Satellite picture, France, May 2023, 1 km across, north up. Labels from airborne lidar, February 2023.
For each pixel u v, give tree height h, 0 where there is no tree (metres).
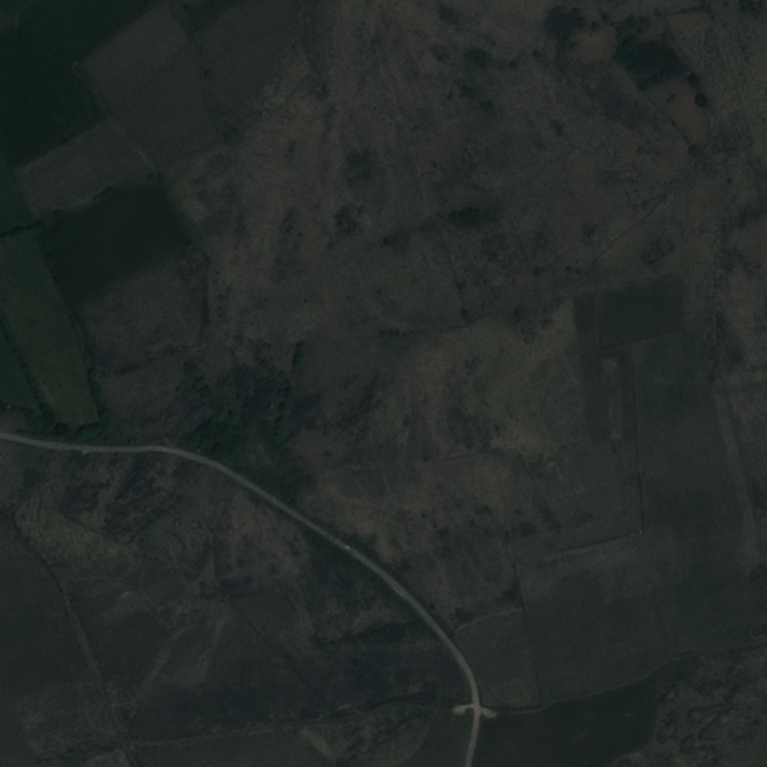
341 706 0
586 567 0
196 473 0
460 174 0
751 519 0
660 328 0
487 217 0
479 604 0
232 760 0
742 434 0
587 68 0
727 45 0
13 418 0
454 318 0
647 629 0
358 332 0
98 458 0
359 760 0
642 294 0
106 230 0
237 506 0
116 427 0
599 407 0
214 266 0
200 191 0
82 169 0
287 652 0
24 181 0
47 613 0
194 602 0
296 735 0
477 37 0
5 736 0
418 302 0
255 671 0
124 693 0
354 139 0
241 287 0
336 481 0
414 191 0
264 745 0
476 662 0
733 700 0
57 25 0
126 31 0
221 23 0
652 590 0
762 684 0
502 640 0
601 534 0
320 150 0
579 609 0
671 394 0
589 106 0
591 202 0
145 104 0
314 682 0
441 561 0
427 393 0
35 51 0
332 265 0
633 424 0
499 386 0
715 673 0
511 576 0
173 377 0
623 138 0
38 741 0
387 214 0
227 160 0
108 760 0
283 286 0
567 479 0
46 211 0
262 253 0
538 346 0
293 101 0
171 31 0
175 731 0
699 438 0
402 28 0
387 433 0
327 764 0
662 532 0
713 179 0
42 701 0
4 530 0
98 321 0
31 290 0
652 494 0
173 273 0
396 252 0
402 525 0
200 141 0
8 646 0
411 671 0
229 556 0
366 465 0
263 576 0
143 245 0
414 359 0
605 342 0
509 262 0
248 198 0
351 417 0
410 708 0
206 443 11
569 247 0
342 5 0
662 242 0
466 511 0
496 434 0
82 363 0
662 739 0
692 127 0
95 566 0
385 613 0
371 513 0
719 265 0
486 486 0
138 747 0
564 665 0
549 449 0
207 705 0
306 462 0
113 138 0
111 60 0
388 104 0
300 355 9
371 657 0
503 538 0
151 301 0
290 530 0
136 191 0
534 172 0
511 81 0
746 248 0
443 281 0
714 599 0
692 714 0
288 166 0
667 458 0
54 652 0
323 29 0
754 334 0
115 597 0
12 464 0
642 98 0
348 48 0
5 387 0
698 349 0
